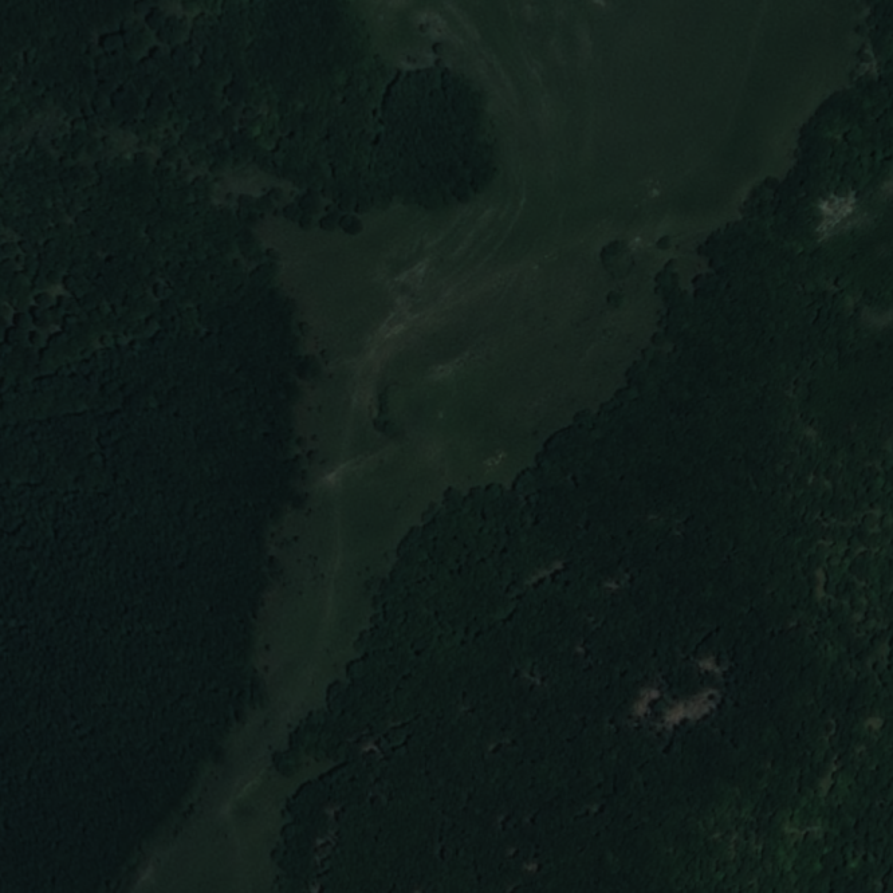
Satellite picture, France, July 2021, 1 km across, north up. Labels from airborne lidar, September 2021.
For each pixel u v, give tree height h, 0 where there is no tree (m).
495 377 0
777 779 22
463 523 32
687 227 0
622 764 33
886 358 12
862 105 19
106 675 25
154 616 25
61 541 27
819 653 24
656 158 0
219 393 22
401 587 23
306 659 0
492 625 31
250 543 18
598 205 0
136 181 16
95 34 22
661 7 0
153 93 23
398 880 27
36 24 22
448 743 30
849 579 22
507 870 29
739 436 24
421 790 26
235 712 17
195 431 19
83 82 26
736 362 23
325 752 23
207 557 24
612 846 21
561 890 21
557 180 0
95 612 27
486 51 0
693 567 32
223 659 18
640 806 24
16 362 27
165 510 21
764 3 0
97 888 17
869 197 18
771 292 21
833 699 26
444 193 20
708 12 0
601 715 33
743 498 23
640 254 0
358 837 27
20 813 25
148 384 21
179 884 0
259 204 13
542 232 0
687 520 27
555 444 22
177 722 21
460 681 27
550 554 31
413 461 0
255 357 21
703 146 0
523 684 31
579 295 0
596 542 28
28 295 21
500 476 0
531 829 26
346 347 0
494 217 0
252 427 18
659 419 26
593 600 33
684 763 31
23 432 23
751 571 25
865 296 10
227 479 18
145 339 21
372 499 0
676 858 15
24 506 28
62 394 23
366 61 22
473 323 0
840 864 22
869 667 30
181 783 19
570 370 0
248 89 16
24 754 23
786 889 23
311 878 22
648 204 0
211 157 12
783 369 24
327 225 14
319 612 0
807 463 23
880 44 13
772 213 9
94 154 11
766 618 30
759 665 31
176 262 18
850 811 19
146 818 18
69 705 27
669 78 0
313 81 19
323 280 0
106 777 21
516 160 0
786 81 0
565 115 0
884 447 10
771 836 21
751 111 0
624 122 0
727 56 0
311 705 0
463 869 25
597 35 0
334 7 21
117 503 23
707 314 24
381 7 0
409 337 0
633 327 0
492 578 31
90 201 12
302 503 15
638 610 33
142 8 12
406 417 0
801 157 10
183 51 19
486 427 0
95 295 21
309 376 19
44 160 18
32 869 24
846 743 22
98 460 27
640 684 33
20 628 29
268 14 19
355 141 25
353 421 0
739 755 30
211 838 0
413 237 0
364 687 24
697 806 18
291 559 0
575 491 29
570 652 35
